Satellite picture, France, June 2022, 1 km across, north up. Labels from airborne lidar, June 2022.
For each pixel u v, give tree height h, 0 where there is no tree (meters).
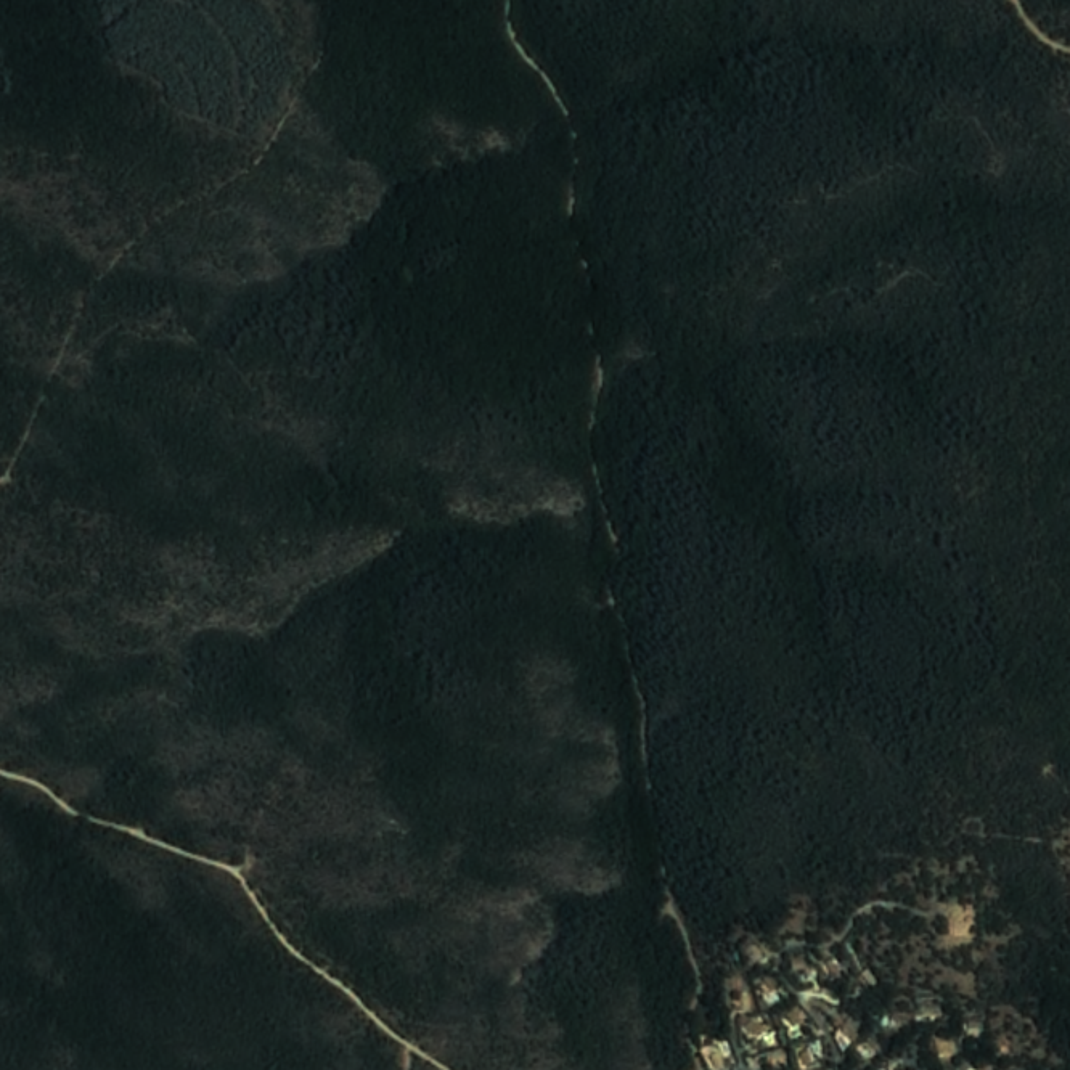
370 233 14
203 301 8
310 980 8
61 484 6
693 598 14
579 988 13
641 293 8
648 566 11
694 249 10
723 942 7
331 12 9
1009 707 7
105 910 12
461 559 18
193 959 7
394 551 12
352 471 7
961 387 7
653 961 12
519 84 13
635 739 13
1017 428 7
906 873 8
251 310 8
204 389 6
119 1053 9
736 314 10
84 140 9
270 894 7
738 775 16
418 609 17
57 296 7
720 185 17
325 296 16
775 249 9
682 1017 8
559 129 10
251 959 8
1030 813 7
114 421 9
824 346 12
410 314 18
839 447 15
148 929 9
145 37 11
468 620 9
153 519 6
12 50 14
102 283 8
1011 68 8
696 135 16
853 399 14
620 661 11
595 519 11
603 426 11
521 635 6
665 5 9
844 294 8
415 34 15
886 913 8
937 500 8
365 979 9
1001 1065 11
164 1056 7
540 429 8
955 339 8
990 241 10
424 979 7
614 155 8
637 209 9
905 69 11
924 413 15
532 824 7
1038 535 7
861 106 14
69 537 6
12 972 9
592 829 6
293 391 7
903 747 14
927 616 17
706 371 6
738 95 14
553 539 9
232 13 11
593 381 7
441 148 6
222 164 8
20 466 6
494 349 18
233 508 7
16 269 7
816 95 18
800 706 9
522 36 9
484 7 12
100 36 7
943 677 10
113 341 6
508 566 10
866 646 16
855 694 16
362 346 7
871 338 8
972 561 14
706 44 11
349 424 8
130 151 9
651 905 10
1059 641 8
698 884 16
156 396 6
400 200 18
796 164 15
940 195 8
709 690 9
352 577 6
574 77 8
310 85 9
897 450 6
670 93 13
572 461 10
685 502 18
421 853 8
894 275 7
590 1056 7
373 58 9
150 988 10
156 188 6
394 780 9
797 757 8
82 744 5
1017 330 8
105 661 7
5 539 8
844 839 8
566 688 6
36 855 10
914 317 6
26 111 9
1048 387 8
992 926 8
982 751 10
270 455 7
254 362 8
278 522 7
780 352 7
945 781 7
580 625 9
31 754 6
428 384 7
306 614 6
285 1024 8
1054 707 8
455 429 7
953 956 8
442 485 8
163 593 7
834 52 12
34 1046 6
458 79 13
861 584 12
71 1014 10
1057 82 6
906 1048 10
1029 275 7
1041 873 7
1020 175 7
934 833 8
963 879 9
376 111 13
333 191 7
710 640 7
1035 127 8
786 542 16
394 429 9
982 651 7
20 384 7
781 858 6
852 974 7
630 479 9
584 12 9
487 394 13
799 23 7
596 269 14
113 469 6
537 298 16
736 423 16
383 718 13
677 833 16
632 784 10
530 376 14
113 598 6
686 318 9
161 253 6
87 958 9
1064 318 9
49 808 7
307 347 17
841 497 9
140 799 9
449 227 16
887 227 7
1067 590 8
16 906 7
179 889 6
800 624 16
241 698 6
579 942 17
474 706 7
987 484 10
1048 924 9
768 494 18
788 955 7
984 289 10
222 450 7
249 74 10
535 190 12
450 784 7
